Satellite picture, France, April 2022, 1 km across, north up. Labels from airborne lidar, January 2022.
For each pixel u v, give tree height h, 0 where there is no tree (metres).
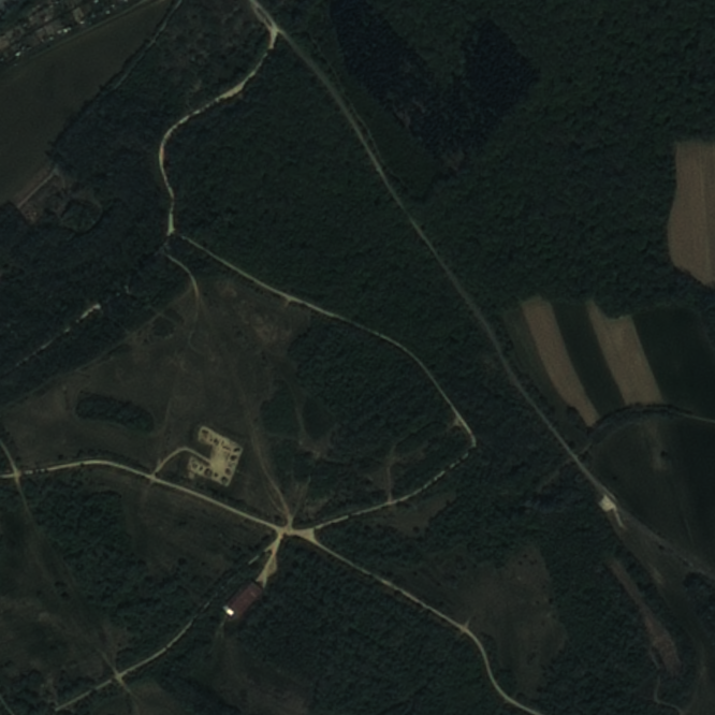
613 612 11
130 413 16
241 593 0
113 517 6
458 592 0
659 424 0
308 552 10
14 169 0
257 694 0
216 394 0
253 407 0
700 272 0
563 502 21
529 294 14
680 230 0
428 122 21
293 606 21
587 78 23
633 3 22
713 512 0
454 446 8
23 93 0
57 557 0
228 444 0
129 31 0
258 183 24
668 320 0
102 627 0
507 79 22
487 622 0
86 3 0
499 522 14
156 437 0
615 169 22
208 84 8
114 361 0
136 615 7
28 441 0
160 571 0
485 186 16
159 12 0
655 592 8
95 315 18
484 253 19
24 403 0
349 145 23
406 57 17
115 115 14
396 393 17
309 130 21
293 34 10
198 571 0
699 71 20
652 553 0
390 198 10
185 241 16
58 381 0
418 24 18
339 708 11
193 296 0
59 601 0
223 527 0
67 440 0
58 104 0
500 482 20
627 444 0
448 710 11
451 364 14
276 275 16
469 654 12
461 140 20
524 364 0
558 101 18
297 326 0
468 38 20
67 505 5
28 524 0
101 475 0
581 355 0
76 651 0
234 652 0
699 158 0
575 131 18
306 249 21
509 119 20
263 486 0
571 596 8
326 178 23
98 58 0
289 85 20
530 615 0
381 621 18
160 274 17
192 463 0
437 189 19
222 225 22
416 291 17
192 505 0
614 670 7
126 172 16
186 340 0
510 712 8
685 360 0
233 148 20
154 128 19
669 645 0
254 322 0
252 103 16
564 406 0
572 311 0
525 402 6
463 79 22
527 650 0
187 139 15
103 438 0
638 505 0
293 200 24
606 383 0
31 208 15
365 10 17
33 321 19
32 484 11
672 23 15
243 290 0
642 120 21
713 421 0
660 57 19
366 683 11
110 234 14
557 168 20
